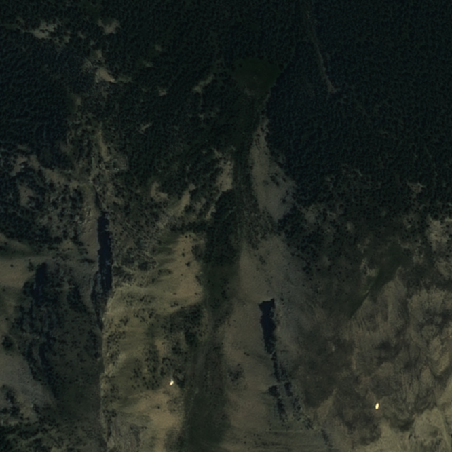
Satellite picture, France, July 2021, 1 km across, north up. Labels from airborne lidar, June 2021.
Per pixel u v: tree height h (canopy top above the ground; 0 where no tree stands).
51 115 7
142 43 18
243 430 0
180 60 17
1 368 0
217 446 0
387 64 17
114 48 10
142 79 12
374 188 8
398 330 0
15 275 0
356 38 14
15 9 17
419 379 0
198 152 7
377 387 0
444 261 0
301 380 0
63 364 0
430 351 0
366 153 15
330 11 14
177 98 7
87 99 8
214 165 9
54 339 7
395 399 0
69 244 0
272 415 0
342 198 8
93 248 0
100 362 0
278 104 11
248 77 0
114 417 6
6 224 12
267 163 0
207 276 0
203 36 17
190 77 11
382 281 0
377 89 14
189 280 0
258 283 0
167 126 7
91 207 0
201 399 0
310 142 8
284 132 11
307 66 17
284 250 0
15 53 10
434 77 17
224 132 12
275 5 19
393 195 8
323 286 0
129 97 10
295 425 0
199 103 7
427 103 18
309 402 0
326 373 0
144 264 7
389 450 0
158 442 0
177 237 0
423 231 6
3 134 6
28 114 14
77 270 0
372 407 0
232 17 14
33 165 0
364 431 0
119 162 0
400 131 13
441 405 0
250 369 0
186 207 6
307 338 0
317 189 9
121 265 9
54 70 8
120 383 0
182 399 0
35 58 12
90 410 0
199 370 0
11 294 0
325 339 0
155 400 0
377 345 0
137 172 12
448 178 14
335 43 13
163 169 11
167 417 0
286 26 18
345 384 0
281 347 0
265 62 0
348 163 9
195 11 6
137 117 10
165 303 0
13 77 13
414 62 15
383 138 10
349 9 12
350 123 9
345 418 0
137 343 0
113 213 7
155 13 20
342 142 14
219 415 0
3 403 0
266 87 0
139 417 0
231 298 0
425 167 8
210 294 0
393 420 0
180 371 7
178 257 0
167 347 0
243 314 0
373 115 13
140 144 11
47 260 0
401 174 7
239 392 0
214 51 11
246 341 0
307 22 6
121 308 0
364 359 0
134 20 15
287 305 0
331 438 0
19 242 7
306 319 0
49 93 10
